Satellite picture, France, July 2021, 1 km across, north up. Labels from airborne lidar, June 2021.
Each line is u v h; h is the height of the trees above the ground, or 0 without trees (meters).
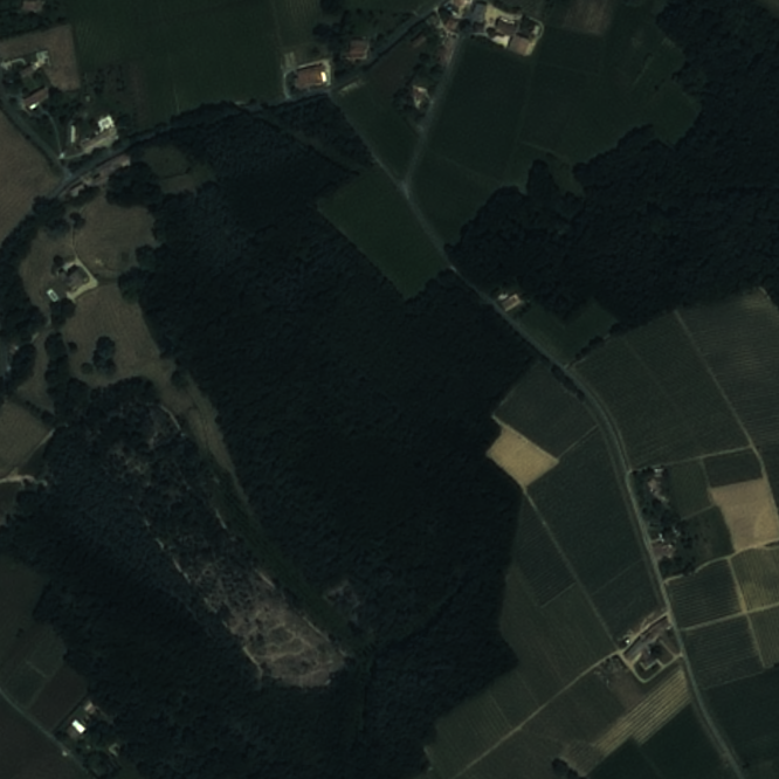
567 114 0
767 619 0
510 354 11
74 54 0
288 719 13
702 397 0
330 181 13
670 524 9
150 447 17
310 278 18
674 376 0
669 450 0
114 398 18
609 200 21
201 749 22
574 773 12
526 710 0
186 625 15
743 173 30
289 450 17
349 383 21
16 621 0
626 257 18
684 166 20
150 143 12
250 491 20
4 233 0
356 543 13
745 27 16
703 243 28
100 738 12
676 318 0
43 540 20
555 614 0
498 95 0
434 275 0
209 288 21
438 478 16
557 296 28
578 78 0
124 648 14
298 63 0
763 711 0
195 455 41
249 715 15
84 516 16
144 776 12
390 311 9
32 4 0
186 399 0
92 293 0
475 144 0
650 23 0
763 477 0
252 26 0
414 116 7
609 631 0
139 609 23
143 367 0
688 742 0
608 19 0
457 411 11
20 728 0
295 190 13
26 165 0
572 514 0
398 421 12
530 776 0
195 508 18
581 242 26
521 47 0
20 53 0
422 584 19
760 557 0
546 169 19
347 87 0
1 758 0
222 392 19
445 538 21
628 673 0
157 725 25
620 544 0
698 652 0
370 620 25
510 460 0
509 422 0
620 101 0
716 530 0
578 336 0
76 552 23
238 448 23
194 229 17
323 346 17
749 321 0
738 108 21
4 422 0
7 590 0
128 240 0
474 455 17
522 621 0
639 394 0
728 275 25
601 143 0
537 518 0
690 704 0
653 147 14
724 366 0
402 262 0
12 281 13
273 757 23
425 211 0
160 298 21
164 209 20
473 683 18
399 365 9
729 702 0
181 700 13
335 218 0
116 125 6
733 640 0
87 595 23
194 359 19
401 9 0
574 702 0
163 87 0
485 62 0
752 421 0
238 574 18
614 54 0
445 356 14
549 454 0
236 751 26
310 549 27
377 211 0
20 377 21
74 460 19
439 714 16
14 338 6
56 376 18
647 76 0
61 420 14
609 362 0
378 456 10
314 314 19
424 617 13
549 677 0
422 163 0
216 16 0
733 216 27
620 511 0
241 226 16
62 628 22
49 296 0
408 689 28
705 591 0
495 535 23
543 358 11
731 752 0
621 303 12
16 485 0
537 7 0
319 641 0
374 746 20
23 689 0
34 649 0
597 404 0
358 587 25
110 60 0
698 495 0
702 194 24
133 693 24
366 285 11
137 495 16
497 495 19
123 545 19
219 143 16
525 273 19
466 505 21
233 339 15
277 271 17
